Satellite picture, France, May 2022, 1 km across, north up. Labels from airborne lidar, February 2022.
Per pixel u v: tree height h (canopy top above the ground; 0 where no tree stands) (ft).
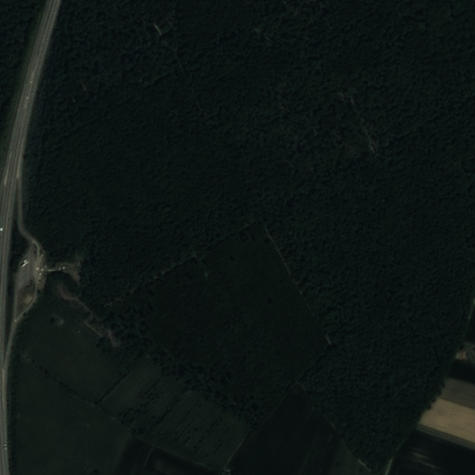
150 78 85
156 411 0
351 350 84
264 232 37
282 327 36
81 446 0
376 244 86
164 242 83
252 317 33
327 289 35
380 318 79
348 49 94
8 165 0
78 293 61
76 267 0
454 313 90
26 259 0
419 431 0
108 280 73
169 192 83
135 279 77
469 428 0
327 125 86
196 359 31
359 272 84
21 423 0
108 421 0
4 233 0
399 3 94
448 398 0
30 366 0
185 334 31
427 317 78
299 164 92
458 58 100
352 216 92
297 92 86
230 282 33
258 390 40
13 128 0
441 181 80
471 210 88
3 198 0
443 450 0
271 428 0
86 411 0
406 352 81
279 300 33
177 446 0
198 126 85
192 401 0
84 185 66
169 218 73
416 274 83
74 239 45
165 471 0
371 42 101
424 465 0
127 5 89
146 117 69
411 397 76
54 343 0
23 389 0
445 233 89
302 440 0
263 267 34
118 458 0
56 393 0
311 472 0
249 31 75
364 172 89
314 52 96
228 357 28
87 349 0
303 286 57
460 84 99
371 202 90
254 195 87
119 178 79
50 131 63
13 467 23
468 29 93
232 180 77
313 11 74
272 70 73
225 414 30
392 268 83
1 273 0
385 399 77
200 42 60
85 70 106
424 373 79
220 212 90
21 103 0
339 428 51
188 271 26
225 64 84
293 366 40
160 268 87
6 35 77
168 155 75
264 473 0
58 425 0
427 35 104
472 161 93
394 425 73
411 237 76
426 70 88
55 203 61
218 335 27
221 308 28
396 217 80
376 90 85
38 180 43
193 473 0
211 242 79
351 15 67
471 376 0
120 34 95
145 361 0
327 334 31
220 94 90
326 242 94
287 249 30
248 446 0
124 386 0
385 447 74
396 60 102
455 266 82
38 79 0
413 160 74
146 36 85
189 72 76
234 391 26
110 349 28
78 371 0
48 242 35
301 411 0
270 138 83
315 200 79
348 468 0
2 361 0
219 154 81
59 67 58
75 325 0
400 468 0
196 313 32
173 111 73
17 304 0
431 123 80
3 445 0
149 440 0
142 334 88
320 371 83
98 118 70
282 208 87
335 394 72
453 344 80
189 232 85
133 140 77
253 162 81
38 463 0
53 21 0
